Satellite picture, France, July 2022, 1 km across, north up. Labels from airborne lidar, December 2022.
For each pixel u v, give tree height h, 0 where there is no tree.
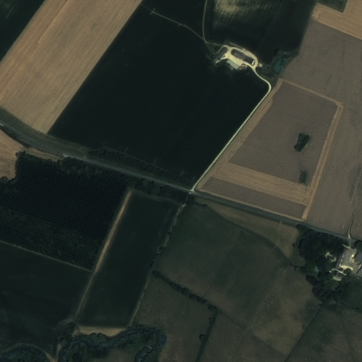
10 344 0
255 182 0
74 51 0
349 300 0
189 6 0
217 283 0
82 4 0
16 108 0
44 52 0
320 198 0
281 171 0
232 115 0
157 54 0
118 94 0
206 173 0
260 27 0
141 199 0
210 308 11
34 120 0
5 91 0
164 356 0
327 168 0
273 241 0
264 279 0
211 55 0
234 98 0
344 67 0
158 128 0
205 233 0
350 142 0
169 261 0
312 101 0
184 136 0
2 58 0
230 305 0
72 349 15
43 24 0
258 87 0
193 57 0
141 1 0
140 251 0
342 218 0
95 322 0
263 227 0
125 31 0
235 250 0
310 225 0
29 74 0
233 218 0
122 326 0
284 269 0
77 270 0
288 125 0
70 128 0
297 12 0
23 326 0
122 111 0
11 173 0
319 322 0
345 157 0
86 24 0
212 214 0
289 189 0
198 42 0
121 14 0
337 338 0
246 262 0
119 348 9
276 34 0
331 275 22
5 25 0
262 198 0
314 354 0
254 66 0
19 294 0
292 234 0
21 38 0
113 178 18
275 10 0
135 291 0
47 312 0
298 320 0
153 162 0
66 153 0
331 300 20
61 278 0
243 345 0
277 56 17
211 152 0
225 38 0
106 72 0
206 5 0
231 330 0
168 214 0
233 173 0
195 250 0
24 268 0
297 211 0
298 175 0
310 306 0
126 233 0
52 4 0
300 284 0
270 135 0
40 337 0
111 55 0
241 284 0
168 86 0
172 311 0
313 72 0
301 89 0
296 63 0
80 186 23
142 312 0
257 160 0
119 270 0
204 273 0
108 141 0
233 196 0
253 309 0
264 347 0
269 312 0
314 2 0
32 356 9
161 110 0
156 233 0
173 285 18
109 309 0
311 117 0
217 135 0
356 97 0
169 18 0
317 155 0
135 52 0
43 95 0
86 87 0
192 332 0
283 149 0
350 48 0
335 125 0
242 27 0
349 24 0
